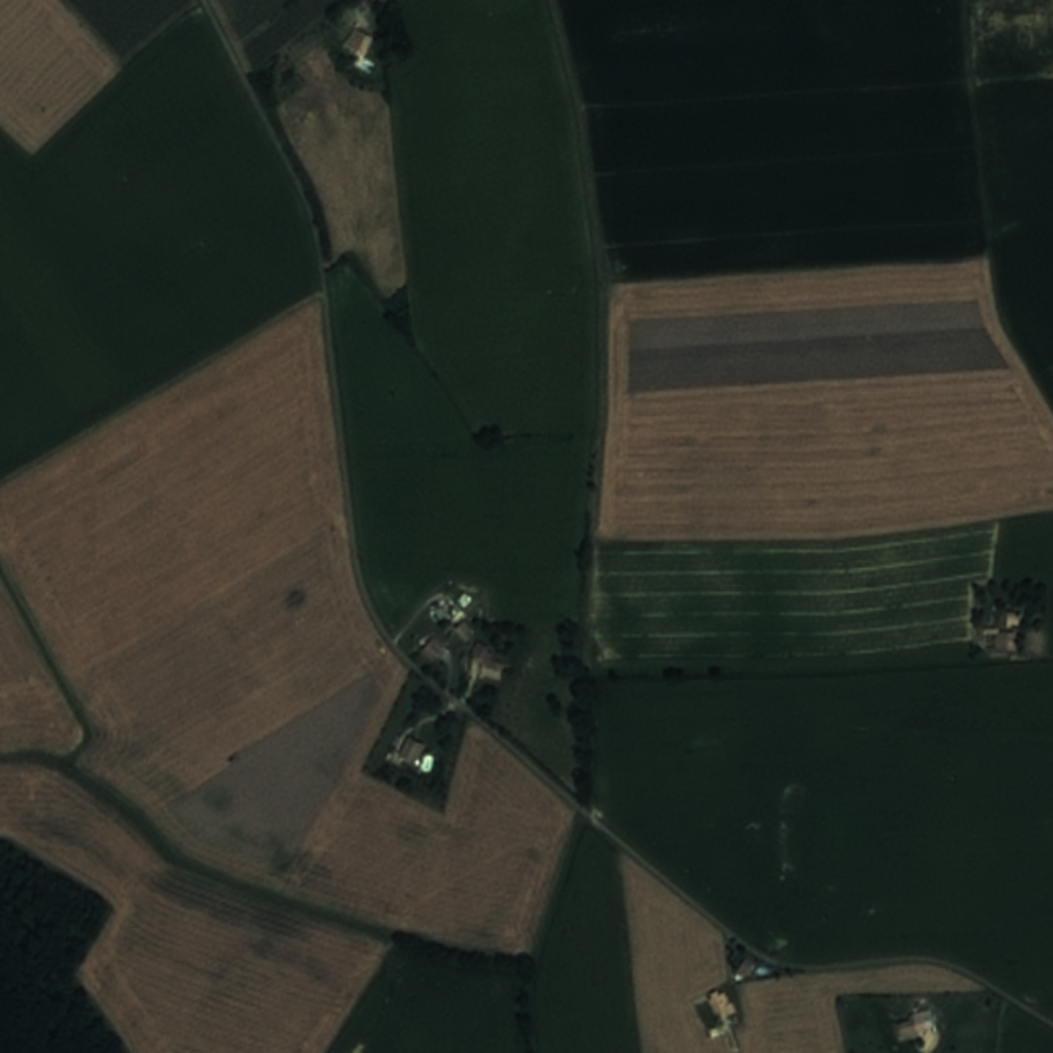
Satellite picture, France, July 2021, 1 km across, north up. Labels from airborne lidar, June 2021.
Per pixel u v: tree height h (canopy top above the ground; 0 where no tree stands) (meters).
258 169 0
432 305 0
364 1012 0
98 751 0
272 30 0
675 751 0
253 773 0
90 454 0
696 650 0
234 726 0
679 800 0
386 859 0
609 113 0
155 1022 0
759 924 0
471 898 0
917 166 0
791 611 0
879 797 0
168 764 0
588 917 0
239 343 0
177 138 0
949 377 0
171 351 0
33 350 0
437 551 0
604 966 0
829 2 0
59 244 0
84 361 0
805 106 0
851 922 0
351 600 0
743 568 0
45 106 0
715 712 0
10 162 0
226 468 0
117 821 0
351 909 0
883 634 0
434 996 0
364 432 0
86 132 0
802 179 0
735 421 0
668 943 0
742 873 0
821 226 0
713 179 0
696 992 0
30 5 0
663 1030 0
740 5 0
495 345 0
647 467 0
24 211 0
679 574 0
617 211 0
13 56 0
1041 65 0
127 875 0
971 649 8
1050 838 0
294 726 0
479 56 0
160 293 0
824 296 0
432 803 0
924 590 0
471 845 0
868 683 0
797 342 0
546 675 0
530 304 0
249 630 0
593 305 0
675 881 0
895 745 0
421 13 0
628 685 0
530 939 0
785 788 0
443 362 0
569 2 0
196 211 0
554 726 0
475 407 0
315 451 0
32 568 0
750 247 0
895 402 0
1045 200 0
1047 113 0
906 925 0
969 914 0
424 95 0
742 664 0
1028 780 0
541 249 0
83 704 0
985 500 0
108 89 0
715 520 0
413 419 0
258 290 0
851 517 0
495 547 0
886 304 0
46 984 14
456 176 0
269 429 0
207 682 0
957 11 0
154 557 0
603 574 0
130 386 0
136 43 0
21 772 0
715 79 0
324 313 0
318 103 0
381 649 0
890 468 0
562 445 0
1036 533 0
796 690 0
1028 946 0
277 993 0
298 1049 0
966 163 0
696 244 0
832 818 0
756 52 0
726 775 0
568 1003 0
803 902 0
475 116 0
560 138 0
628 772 0
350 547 0
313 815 0
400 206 0
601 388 0
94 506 0
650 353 0
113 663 0
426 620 0
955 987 0
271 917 0
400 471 0
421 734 0
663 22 0
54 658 0
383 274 0
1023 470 0
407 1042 0
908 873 0
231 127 0
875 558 0
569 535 0
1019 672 0
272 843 0
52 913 17
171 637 0
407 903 0
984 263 0
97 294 0
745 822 0
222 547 0
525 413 0
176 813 0
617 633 0
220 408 0
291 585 0
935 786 0
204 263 0
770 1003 0
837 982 0
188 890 0
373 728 0
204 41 0
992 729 0
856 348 0
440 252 0
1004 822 0
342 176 0
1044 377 0
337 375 0
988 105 0
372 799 0
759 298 0
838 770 0
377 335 0
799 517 0
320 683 0
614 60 0
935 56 0
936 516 0
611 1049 0
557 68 0
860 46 0
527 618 0
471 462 0
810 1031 0
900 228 0
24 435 0
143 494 0
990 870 0
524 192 0
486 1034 0
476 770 0
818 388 0
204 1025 0
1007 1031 0
